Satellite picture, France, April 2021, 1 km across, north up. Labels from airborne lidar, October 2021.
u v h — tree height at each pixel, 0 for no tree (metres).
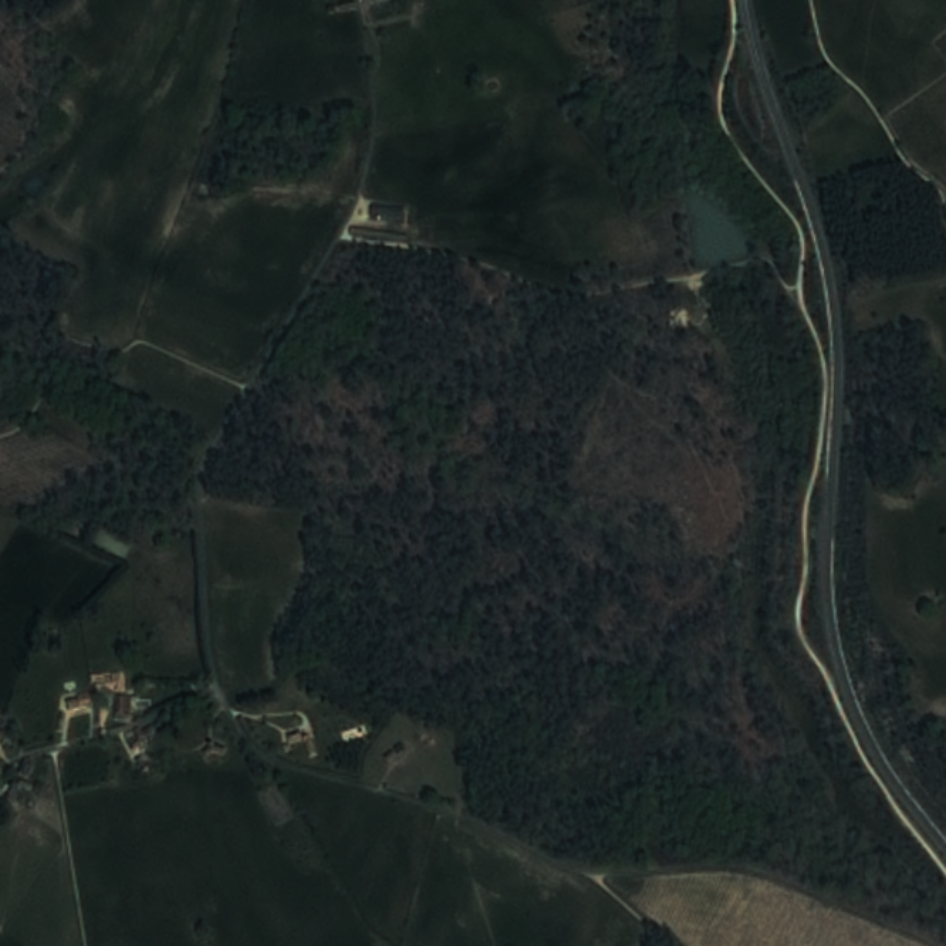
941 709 0
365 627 18
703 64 0
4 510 0
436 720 23
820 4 0
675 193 11
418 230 0
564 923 0
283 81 0
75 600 0
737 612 20
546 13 0
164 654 0
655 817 18
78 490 25
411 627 25
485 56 0
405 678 25
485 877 0
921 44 0
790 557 20
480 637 18
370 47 0
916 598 0
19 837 0
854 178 13
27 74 8
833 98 17
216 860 0
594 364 21
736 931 0
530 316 21
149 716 7
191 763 0
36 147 18
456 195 0
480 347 12
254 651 0
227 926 0
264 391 11
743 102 0
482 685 31
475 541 28
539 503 15
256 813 0
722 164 21
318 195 0
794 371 12
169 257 0
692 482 0
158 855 0
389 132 0
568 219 0
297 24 0
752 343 7
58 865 0
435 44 0
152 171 0
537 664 28
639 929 0
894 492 12
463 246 0
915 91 0
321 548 17
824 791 19
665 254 0
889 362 24
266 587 0
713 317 12
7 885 0
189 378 0
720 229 0
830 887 21
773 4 0
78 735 0
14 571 0
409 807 0
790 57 0
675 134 21
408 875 0
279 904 0
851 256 17
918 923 19
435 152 0
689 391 9
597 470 0
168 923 0
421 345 22
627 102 13
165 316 0
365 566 14
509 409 8
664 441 0
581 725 27
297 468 24
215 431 0
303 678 9
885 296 0
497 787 24
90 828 0
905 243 17
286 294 0
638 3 11
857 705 0
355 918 0
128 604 0
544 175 0
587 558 10
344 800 0
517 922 0
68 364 14
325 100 0
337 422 26
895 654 7
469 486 23
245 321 0
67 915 0
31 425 17
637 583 24
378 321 15
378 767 0
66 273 13
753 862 22
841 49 0
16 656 0
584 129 14
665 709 23
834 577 0
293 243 0
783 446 19
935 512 0
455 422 18
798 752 21
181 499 17
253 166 13
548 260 0
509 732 22
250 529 0
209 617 0
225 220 0
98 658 0
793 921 0
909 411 28
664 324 7
